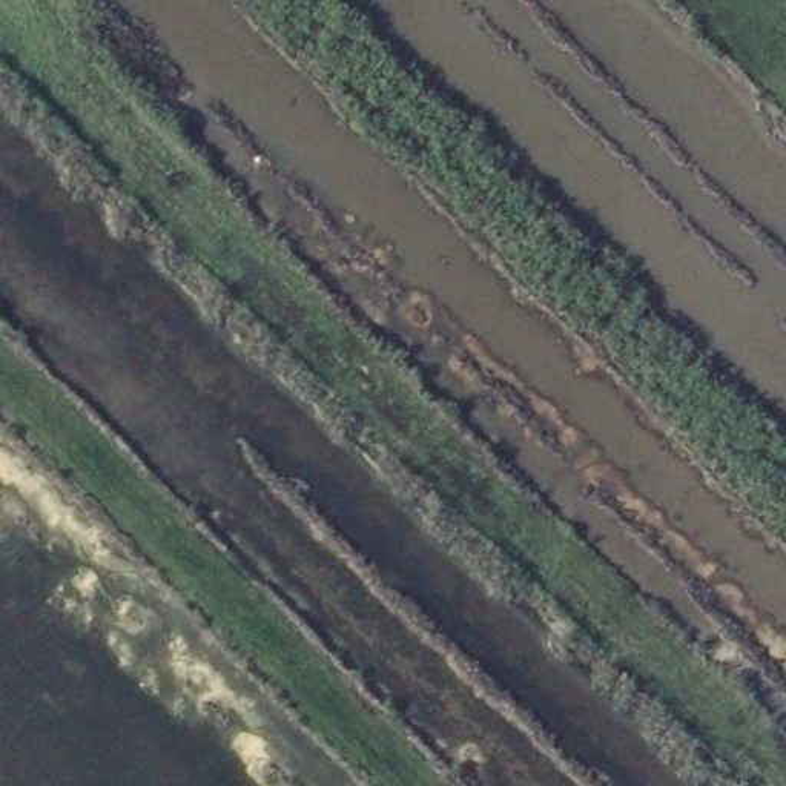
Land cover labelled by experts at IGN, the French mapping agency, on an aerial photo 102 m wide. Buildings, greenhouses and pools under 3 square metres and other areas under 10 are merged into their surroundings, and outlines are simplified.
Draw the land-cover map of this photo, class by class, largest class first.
<instances>
[{"label":"water","instance_id":"1","mask_svg":"<svg viewBox=\"0 0 786 786\"><path fill-rule=\"evenodd\" d=\"M123 25H132L138 31L141 43H147L141 49V58H147L163 77L175 74L184 80L181 101L203 114L206 135L224 150L227 163L236 172H243L252 190H258L261 197L264 218L255 224L258 230L276 236L282 227L292 224L304 249L316 255L341 279V286L368 313V319L399 332L402 344L396 350L402 353L405 365L418 372L421 390L430 399L448 405L457 414V424L491 451L497 467L513 482H519L522 491L534 494L537 507L547 516L565 522L605 568H611L639 599L657 605L660 614L675 629H682L688 642L703 645L706 660L731 672L755 697L761 712L771 715L780 731H786V691L783 685H777L765 660H758L752 651L746 654L715 614L694 602L688 583L675 571L679 559H685L700 577H706V583L731 605V611L749 623V629H755L761 645L786 666V553L774 547L761 531L746 525L740 510L703 479L694 461L608 375L586 359L583 350H577V344L543 310L528 304L504 273H497L485 258H479L467 246V239L451 227V221L442 212H436L418 187H411L396 172V166H390L378 150H372L344 120H338L322 95L298 68L286 61V55L267 46L258 31L246 25V18L227 0H95ZM292 184H301L307 197L316 200L322 212L319 221L310 224L304 209L292 203V197L286 193ZM350 246L375 252L387 276L375 282L368 276L372 267L338 264L335 255H341V249ZM464 335L476 338L488 359H494L500 368H510L519 378L516 387L531 402L547 399L550 405H556L565 424L577 430V442L565 445L559 430L537 411L531 421H525L510 402L497 405L488 393H482L479 378L467 365H461L451 375L445 368L448 356L464 344ZM583 479L611 488L620 497V504L632 510L642 522L654 525L657 534L675 547V553L660 556L651 547L648 531L626 528L620 534V528L605 516V504L593 507L590 500L577 497V485ZM473 6H482V25L494 28L500 37L513 43V52L504 55L488 43L485 31L476 25L473 15L461 12V0H341V6L359 15L365 28L384 43L402 77L430 89L454 114L482 123L479 141L497 144L504 150L494 169H504L516 184H537L543 200H550L562 215L574 224V230L583 239L605 243L626 261V273L617 282V292L623 298L642 292L651 316L669 325L679 341H688V347L706 359V372L718 387H728L740 402L755 405L765 418H771L780 436L786 439V273L774 267V261L761 249H755L740 230H734L722 218V212L688 178V172L703 175L731 203V209L746 215L765 239H771L786 255V141L771 135L758 123L752 101L731 80V74L706 55H700L682 37L679 25L654 0H534V6L547 15V25L568 46L586 55L602 77H608V83L623 95V101L632 111L660 126V132L675 144V150L685 160V166H675L632 120H626L571 64V58H565L556 46H550L540 37L531 18L513 0H467ZM534 74H540V83H550L556 95L568 98L571 107L596 129V135H583L531 83ZM703 243H709L722 258L731 255V261L749 276V282H734L722 267H715L706 258ZM181 279H169L154 267L147 239L114 236L104 224V203L98 197L71 190L61 181L55 163L43 157L37 144L28 138V132L9 123V117L0 111V319L25 338V347L37 359V365L49 378H55L68 393H74L181 507L193 510L200 525L258 583H264L292 617H298L313 632L325 654H332L344 669L356 672L372 697L390 703L399 725L464 786H574L562 771L550 765L543 752L531 746V740L516 725H510L485 700H479L473 688L464 685L436 651H430L396 614H390L332 550L313 540L304 522L295 519L289 507L255 479V473L239 454L246 445H252L264 457V464L286 485H292L310 510H316L325 528L335 537H341L378 574L384 586H390L411 608H418L430 620V629L442 636L464 660H470L497 688V694L513 700L516 709L528 712L553 740V746L568 761L583 768L596 786H712L682 777L679 768L660 755L654 743L642 737L636 715L629 709H620L608 691L596 688L590 663L556 657L550 645V623L531 602H510L491 596L442 540H436L424 528L421 500L396 497L378 479L372 467L375 451L372 445L335 442L325 433L322 421H316L313 408L292 396V390L276 378L273 368L255 362L239 344H233L224 325L206 322L200 316L197 298L190 301L181 292ZM111 556L95 562L89 553H83V547L71 540L68 531L46 525L31 494L0 479V786H255L246 774L239 752L233 749L243 718L218 700L197 703L206 685L193 679H178L172 672V639H184L190 657L209 663L230 691L255 703L264 722V731L258 734L267 755L264 777L273 786H353L350 777L338 768V761L313 743L310 734L298 731L279 709H273L255 685H249L236 672L230 660L221 651L187 623V617L178 608L160 583H154L135 565L126 562L114 540H104ZM120 602H135L147 608L154 614L150 629H123L117 623Z\"/></svg>","mask_w":786,"mask_h":786},{"label":"herbaceous vegetation","instance_id":"2","mask_svg":"<svg viewBox=\"0 0 786 786\"><path fill-rule=\"evenodd\" d=\"M49 9L55 6L49 0H0V43H6L28 64V71H34L25 89L37 95L46 104V111L71 129V135L92 157V163H98L111 175V184L123 190V200L135 212V218L150 215V221L163 224V212L175 215L184 224L178 243L187 249L193 273L203 270L212 282H224V295L236 298V316H249L273 341L286 338L289 347L301 356L298 365L304 372L316 368L325 378L329 390L362 414V424L375 433L372 445L375 451L384 448L402 454L399 467L411 476H421V482L439 497V507L448 516H457L464 531L476 537L470 550L494 540L500 547V559L507 562V577H522L534 586L531 602L550 623V645L556 657L590 663L596 657H620L632 663L645 675V685L654 688L651 700L663 703L666 697H675L679 706L709 731L715 752L731 758L737 771L749 774V786H786V731H780L771 715L761 712L755 697L731 672L706 660L703 645L688 642L682 629H675L660 614L657 605L639 599L611 568H605L565 522L547 516L537 507L534 494L522 491L519 482H513L497 467L491 451L457 424V414L448 405L430 399L421 390L418 372L405 365L402 353L372 338L365 329L353 325L332 304L322 286L307 273V267L286 252V246L276 236L258 230L243 200L212 175L203 157L187 144L175 120L157 114L135 86H129L117 74L101 43L86 46L80 28H68L55 15H49ZM679 25L682 37L700 55H706L731 74V80L752 101L758 123L771 135L786 141V0H654ZM700 12L725 37V43L731 46V58L718 55L697 34L694 15ZM338 120H344L372 150H378L390 166H396V172L411 187H418L436 212H442L451 221V227L467 239V246L479 258H485L497 273H504L528 304L543 310L577 344V350H583L586 359L608 375L617 365V344L605 332V325L617 322L614 313L602 310L596 322H574V316L565 310V292H543L540 273H528L522 261L510 264L513 243L500 239L497 221L473 224V215L464 209L470 197L461 184L442 187L433 178L436 169L427 157H411L399 141L384 138L341 89H329L322 95ZM525 203L537 215H562L550 200H543L537 184H522ZM0 408L3 414L25 424L28 439L43 454H55L74 473V479H68L64 485H71V494H80L86 507L95 510L101 525L104 540H114L126 562L135 565L154 583H160L178 608L184 602L203 605L212 614V623L230 632V645L221 651L230 660L255 657L273 675L270 685L276 688V694L289 691L295 697L298 709L307 715L310 734L313 743L338 761V768L350 777L353 786H464L399 725L390 703L372 697L356 672L344 669L332 654H325L313 632L298 617H292L264 583H258L200 525L193 510L181 507L74 393H68L55 378H49L37 365V359L25 347V338L0 319ZM694 461L703 479L740 510L746 525L761 531L774 547L786 553V439L780 436L771 418H765L755 405L740 402L728 387H718L706 372L685 362V356H675L666 365H651L648 359L636 356L611 378Z\"/></svg>","mask_w":786,"mask_h":786},{"label":"brushwood","instance_id":"3","mask_svg":"<svg viewBox=\"0 0 786 786\"><path fill-rule=\"evenodd\" d=\"M55 6L49 9V15H55L68 28H80L86 46L101 43L117 74L129 86H135L157 114L175 120L187 144L203 157L212 175L243 200L255 224L264 218L261 197L258 190H252L243 172H236L227 163L224 150L206 135L203 114L181 101L184 80L175 74L163 77L147 58H141V49L147 43H141L138 31L132 25H123L95 0H49ZM246 18V25L258 31L267 46L286 55V61L298 68L322 95L329 89H341L384 138L399 141L411 157H427L436 169L433 178L442 187L461 184L470 197L464 209L473 215V224L497 221L500 239L513 243L510 264L522 261L528 273H540L543 292H565V310L574 316V322H596L602 310L614 313L617 322L605 325V332L617 344V365L608 375L611 378L636 356L648 359L651 365H666L675 356H685V362L706 372V359L688 347V341H679L669 325L651 316L642 292L623 298L617 292V282L626 273V261L605 243L583 239L574 230V224L562 215H537L525 203L522 184H516L504 169H494L504 150L497 144L479 141L482 123L454 114L430 89L402 77L384 43L365 28L359 15L341 6V0H227ZM461 12L473 15L476 25L485 31L488 43L504 55L513 52V43L500 37L494 28L482 25V6H473L467 0H461ZM531 18L540 37L550 46H556L565 58H571V64L626 120H632L675 166H685V160L675 150V144L660 132V126L632 111L623 101V95L608 83V77H602L586 55L568 46L547 25V15L534 6V0H513ZM34 71H28V64L6 43H0V111L9 117V123L28 132V138L37 144L43 157L55 163L61 181L71 190L98 197L104 203V224L114 236L147 239L154 267L169 279H181V292L190 301L197 298L200 316L206 322L224 325L233 344H239L255 362L273 368L276 378L292 390V396L313 408L316 421H322L325 433L335 442L372 445L375 433L362 424V414L329 390L325 378L316 368L304 372L298 365L301 356L289 347L286 338L273 341L249 316H236V298L224 295V282H212L203 270L193 273L187 249L178 243L184 224L175 215L163 212V224L150 221V215L135 218V212L123 200V190L111 184V175L98 163H92V157L71 135V129L46 111V104L37 95L25 89ZM531 83L583 135H596V129L571 107L568 98L556 95L550 83H540V74H534ZM688 178L722 212V218L734 230H740L755 249H761L774 261V267L786 273V255L771 239H765L746 215L731 209V203L703 175L688 172ZM286 193L292 197V203L304 209L310 224L319 221L322 212L316 200L307 197L301 184H292ZM286 246V252L307 267V273L322 286L332 304L353 325L365 329L372 338L396 350L402 344L399 332L368 319V313L341 286V279L316 255L304 249L292 224L282 227L276 236ZM706 258L715 267H722L734 282H749V276L731 261V255L722 258L709 243H703ZM338 264L372 267L368 276L375 282L387 276L375 252L350 246L341 249V255H335ZM461 365H467L479 378L482 393H488L497 405L510 402L525 421H531L537 411L531 402L516 387L482 368L464 344L448 356L445 368L451 375ZM0 433L15 436L21 442V451L40 464L49 491L58 497L61 507L74 510V516L83 525H101L95 510L86 507L80 494H71V485H64L68 479H74V473L55 454H43L28 439L25 424L3 414L0 408ZM239 454L255 473V479L289 507L295 519L304 522L313 540L332 550L390 614H396L430 651H436L464 685L473 688L479 700H485L510 725H516L531 740V746L543 752L550 765L562 771L574 786H596L583 768L568 761L553 746V740L528 712L516 709L513 700L497 694V688L470 660H464L442 636L430 629V620L418 608H411L390 586H384L378 574L341 537H335L325 528L316 510H310L292 485H286L264 464V457L252 445H246ZM402 454L384 448L375 451L372 467L378 479L396 497L421 500L424 528L436 540H442L491 596L510 602H531L534 586L522 577H507V562L500 559V547L494 540L470 550L476 537L464 531L457 516H448L439 507V497L421 482V476H411L399 467ZM577 497L590 500L593 507L605 504V516L620 528V534L626 528L648 531L651 547L660 556L675 553V547L657 534L654 525L642 522L632 510L620 504V497L611 488L583 479L577 485ZM688 583L694 602L715 614L746 654L752 651L758 660H765L777 685H783L786 691V666L761 645L755 629H749V623L731 611V605L706 583V577H700L685 559H679L675 571ZM187 617V623L221 651L230 645V632L212 623V614L203 605L184 602L178 608ZM236 672L249 685H255L273 709H279L298 731L310 734L307 715L298 709L295 697L289 691L276 694V688L270 685L273 675L255 657L230 660ZM596 688L608 691L620 709H629L636 715L642 737L654 743L660 755L679 768L682 777L712 786H749V774L737 771L731 758L715 752L709 731L679 706L675 697H666L663 703L651 700L654 688L645 685V675L632 663L620 657H596L590 663Z\"/></svg>","mask_w":786,"mask_h":786},{"label":"bare soil","instance_id":"4","mask_svg":"<svg viewBox=\"0 0 786 786\"><path fill-rule=\"evenodd\" d=\"M482 368L516 387L519 378L510 368H500L494 359H488L476 338L464 335V344ZM537 411L559 430L565 445L577 442V430L565 424L556 405H550L547 399L531 402ZM0 479L31 494L46 525L68 531L71 540L83 547V553H89L95 562L111 556L104 540L101 525H83L74 516V510L61 507L58 497L49 491L40 464L21 451V442L15 436L0 433ZM117 623L123 629H150L154 614L147 608L135 602H120ZM172 672L178 679H193L206 685L197 703L218 700L243 718L233 749L239 752L246 774L255 786H273L264 777L267 755L258 734L264 731V722L255 703L230 691L209 663L190 657L184 639H172Z\"/></svg>","mask_w":786,"mask_h":786},{"label":"deciduous trees","instance_id":"5","mask_svg":"<svg viewBox=\"0 0 786 786\"><path fill-rule=\"evenodd\" d=\"M697 34L718 55L731 58V46L725 43V37L700 12L694 15Z\"/></svg>","mask_w":786,"mask_h":786}]
</instances>
